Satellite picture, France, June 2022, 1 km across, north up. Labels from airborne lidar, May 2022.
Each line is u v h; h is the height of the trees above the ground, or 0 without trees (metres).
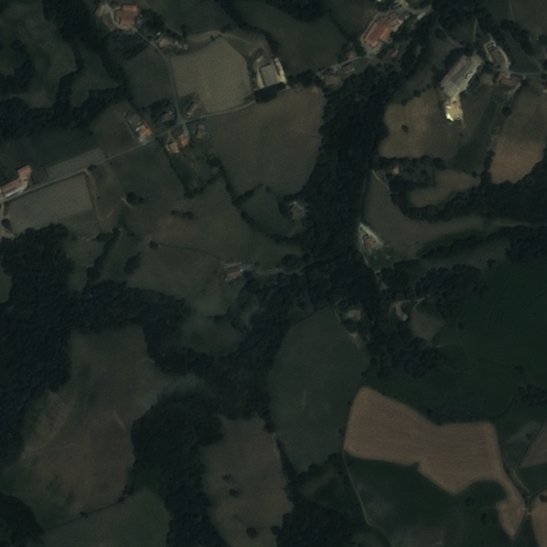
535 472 0
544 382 0
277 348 15
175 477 13
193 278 0
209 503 12
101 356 0
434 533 0
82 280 0
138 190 0
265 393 14
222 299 0
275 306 14
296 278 18
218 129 0
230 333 0
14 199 0
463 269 17
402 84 9
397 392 0
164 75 0
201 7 0
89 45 20
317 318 0
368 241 0
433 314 0
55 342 25
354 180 21
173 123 9
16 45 14
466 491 0
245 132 0
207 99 0
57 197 0
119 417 0
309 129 0
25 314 26
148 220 0
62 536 0
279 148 0
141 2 0
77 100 0
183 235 0
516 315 0
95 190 0
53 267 24
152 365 0
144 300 23
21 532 22
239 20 21
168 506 16
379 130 25
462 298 11
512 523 0
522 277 0
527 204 23
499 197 23
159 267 0
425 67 0
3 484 0
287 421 0
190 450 17
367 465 0
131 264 15
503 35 8
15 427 16
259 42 0
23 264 17
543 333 0
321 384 0
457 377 0
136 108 9
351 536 16
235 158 0
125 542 0
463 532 0
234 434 0
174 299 13
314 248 26
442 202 0
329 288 6
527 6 0
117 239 14
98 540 0
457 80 0
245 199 11
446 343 0
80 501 0
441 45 0
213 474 0
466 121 0
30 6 0
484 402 0
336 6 0
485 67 10
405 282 19
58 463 0
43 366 20
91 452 0
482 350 0
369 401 0
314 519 17
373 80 23
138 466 14
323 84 18
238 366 16
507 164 0
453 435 0
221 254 0
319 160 9
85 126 17
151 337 18
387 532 0
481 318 0
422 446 0
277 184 0
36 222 0
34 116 14
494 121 0
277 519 0
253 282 19
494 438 0
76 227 0
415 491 0
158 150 0
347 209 17
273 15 0
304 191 11
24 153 0
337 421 0
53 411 0
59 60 0
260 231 0
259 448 0
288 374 0
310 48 0
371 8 0
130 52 6
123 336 0
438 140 0
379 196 0
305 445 0
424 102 0
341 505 0
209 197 0
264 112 0
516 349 0
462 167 0
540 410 0
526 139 0
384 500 0
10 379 25
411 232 0
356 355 0
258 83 0
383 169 23
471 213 19
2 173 6
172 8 0
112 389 0
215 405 10
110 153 0
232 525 0
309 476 15
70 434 0
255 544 0
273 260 0
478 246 6
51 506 0
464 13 11
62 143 0
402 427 0
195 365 28
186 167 0
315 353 0
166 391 14
